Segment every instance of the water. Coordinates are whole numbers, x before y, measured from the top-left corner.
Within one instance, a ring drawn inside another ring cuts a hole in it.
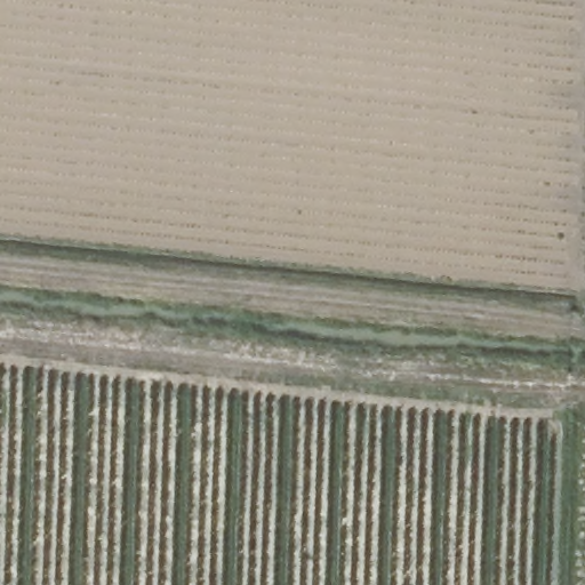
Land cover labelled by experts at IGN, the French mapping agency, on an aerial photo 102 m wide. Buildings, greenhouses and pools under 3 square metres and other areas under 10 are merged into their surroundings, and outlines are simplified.
[[[347,336],[354,340],[382,338],[384,343],[393,345],[457,345],[455,336],[418,336],[414,340],[388,334],[377,336],[368,329],[320,327],[324,318],[299,318],[283,313],[281,327],[290,329],[324,336]]]
[[[162,311],[165,302],[139,299],[137,306],[114,306],[112,311],[128,311],[130,315],[153,311],[160,315],[169,315],[169,311]]]

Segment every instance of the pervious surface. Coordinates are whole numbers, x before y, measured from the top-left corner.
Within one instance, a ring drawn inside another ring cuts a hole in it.
[[[139,299],[165,302],[224,304],[240,311],[249,308],[261,313],[283,313],[299,318],[324,318],[363,318],[379,324],[457,329],[478,329],[496,336],[539,338],[580,338],[585,334],[585,324],[578,313],[558,315],[514,304],[484,302],[457,295],[427,297],[414,293],[352,290],[315,283],[210,277],[203,272],[190,272],[187,267],[160,272],[139,265],[0,254],[0,283],[39,290],[98,293],[110,297]]]

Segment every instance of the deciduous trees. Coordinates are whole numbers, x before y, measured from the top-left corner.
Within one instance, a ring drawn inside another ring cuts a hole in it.
[[[455,336],[457,329],[379,324],[363,318],[324,318],[320,327],[368,329],[377,336],[388,334],[414,340],[418,336]]]
[[[75,306],[94,313],[112,311],[114,306],[137,306],[139,299],[110,297],[98,293],[39,290],[0,283],[0,299],[32,302],[37,306]]]
[[[484,302],[514,304],[558,315],[578,313],[585,324],[585,290],[546,293],[516,288],[514,283],[480,286],[457,281],[430,281],[418,279],[414,274],[384,277],[375,272],[347,272],[338,267],[219,258],[201,251],[153,251],[123,245],[73,245],[71,240],[0,238],[0,254],[139,265],[160,272],[187,267],[190,272],[203,272],[210,277],[315,283],[352,290],[414,293],[427,297],[457,295]]]
[[[546,356],[537,361],[555,370],[567,370],[574,377],[585,377],[585,352],[580,354],[580,359],[574,359],[571,350],[546,350]]]
[[[290,329],[281,327],[283,313],[261,313],[249,308],[240,311],[224,304],[165,302],[162,311],[169,311],[169,315],[224,318],[226,329],[238,340],[299,347],[311,350],[315,354],[327,354],[329,350],[361,356],[384,354],[377,347],[324,345],[288,338]]]

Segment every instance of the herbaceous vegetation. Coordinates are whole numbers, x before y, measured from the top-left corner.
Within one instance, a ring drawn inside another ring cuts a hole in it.
[[[151,359],[158,361],[165,361],[169,354],[181,354],[199,359],[281,366],[279,370],[258,372],[256,382],[263,384],[315,388],[329,386],[331,391],[354,391],[416,400],[448,400],[464,404],[498,404],[510,409],[551,409],[553,414],[562,414],[564,409],[574,409],[585,402],[585,377],[574,377],[567,370],[555,370],[537,361],[546,356],[546,350],[571,350],[574,359],[580,359],[580,354],[585,352],[585,334],[580,338],[539,338],[496,336],[478,329],[457,329],[455,336],[457,345],[393,345],[384,343],[382,338],[354,340],[347,336],[324,336],[290,329],[288,338],[324,345],[377,347],[384,354],[361,356],[329,350],[327,354],[315,354],[311,350],[299,347],[238,340],[226,329],[224,318],[169,315],[160,315],[153,311],[130,315],[128,311],[112,311],[94,313],[75,306],[37,306],[32,302],[0,299],[0,338],[149,352]]]

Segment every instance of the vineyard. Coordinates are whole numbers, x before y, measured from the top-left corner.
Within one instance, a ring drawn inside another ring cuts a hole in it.
[[[430,281],[457,281],[480,286],[514,283],[516,288],[546,293],[585,290],[585,0],[0,0],[0,238],[71,240],[73,245],[123,245],[153,251],[201,251],[219,258],[338,267],[347,272],[375,272],[384,277],[414,274],[418,279]]]
[[[510,409],[498,404],[464,404],[448,400],[416,400],[354,391],[331,391],[329,386],[315,388],[263,384],[256,382],[258,372],[279,370],[281,366],[199,359],[181,354],[169,354],[165,361],[158,361],[151,359],[149,352],[0,338],[0,585],[585,585],[585,402],[574,409],[564,409],[562,414],[553,414],[551,409]]]

